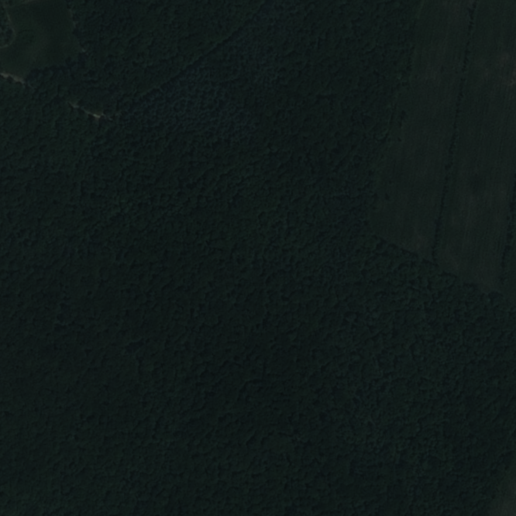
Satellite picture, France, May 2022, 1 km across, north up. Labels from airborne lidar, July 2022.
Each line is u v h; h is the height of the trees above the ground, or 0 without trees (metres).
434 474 24
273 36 23
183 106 39
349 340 23
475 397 21
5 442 28
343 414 22
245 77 23
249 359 27
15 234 28
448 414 26
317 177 13
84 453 28
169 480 23
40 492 20
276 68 30
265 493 28
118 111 23
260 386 28
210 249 25
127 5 28
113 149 25
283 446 30
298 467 21
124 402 25
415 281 19
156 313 29
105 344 28
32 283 32
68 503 23
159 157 23
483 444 29
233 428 26
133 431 22
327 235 20
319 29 25
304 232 23
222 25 28
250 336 27
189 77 35
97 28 26
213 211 24
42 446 28
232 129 37
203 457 24
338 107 26
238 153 20
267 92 25
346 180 16
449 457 22
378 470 27
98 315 27
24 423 25
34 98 21
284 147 26
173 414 23
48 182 31
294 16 31
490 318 24
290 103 22
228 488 27
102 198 26
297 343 27
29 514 22
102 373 28
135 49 29
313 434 31
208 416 29
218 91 33
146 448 22
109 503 18
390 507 27
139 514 28
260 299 24
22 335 26
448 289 20
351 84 25
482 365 28
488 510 26
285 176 18
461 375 22
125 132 17
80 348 27
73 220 22
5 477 28
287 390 30
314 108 25
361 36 24
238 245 24
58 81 25
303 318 29
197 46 23
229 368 29
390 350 22
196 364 24
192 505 26
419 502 20
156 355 27
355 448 17
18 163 29
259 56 32
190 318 22
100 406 29
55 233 18
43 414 28
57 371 30
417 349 21
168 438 22
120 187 24
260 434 26
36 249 26
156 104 31
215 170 29
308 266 22
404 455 28
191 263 16
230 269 27
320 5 29
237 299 29
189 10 22
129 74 24
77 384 29
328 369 20
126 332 30
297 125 25
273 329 27
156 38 21
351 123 26
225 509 24
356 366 32
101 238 23
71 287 29
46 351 31
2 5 14
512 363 24
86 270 29
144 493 27
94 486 19
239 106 31
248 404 31
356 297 22
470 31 8
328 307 23
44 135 22
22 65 0
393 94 17
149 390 15
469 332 24
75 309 28
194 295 28
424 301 20
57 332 25
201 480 27
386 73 23
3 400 28
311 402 19
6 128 25
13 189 26
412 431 17
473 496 24
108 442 28
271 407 28
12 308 28
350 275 25
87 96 25
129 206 13
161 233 21
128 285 24
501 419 25
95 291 31
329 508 25
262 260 21
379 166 25
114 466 23
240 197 25
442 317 20
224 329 28
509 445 25
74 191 26
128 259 26
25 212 21
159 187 28
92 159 20
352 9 24
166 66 27
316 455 28
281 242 21
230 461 29
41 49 0
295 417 30
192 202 22
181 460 24
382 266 20
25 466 29
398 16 23
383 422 15
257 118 24
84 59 25
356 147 21
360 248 19
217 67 31
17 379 30
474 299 23
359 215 26
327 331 20
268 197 24
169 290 27
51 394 28
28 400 31
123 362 33
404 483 22
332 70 27
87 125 23
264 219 17
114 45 23
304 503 24
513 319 27
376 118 21
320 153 26
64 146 24
